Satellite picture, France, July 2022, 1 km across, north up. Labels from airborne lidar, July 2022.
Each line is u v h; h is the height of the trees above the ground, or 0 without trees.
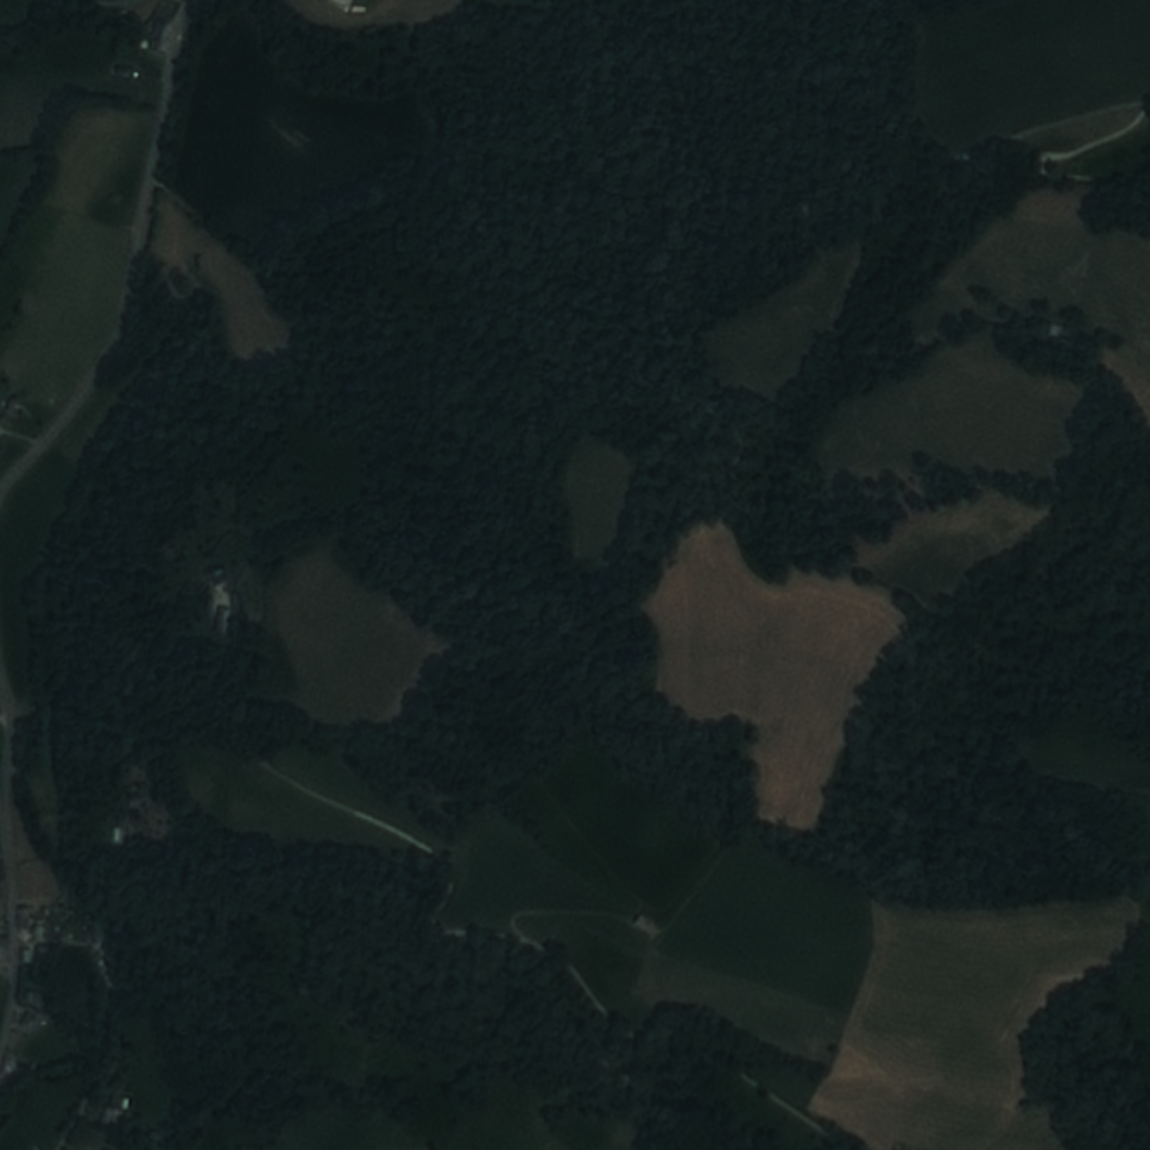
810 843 15
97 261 0
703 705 0
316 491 0
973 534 0
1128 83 0
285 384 21
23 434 0
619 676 27
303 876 23
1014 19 0
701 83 21
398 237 19
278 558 12
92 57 0
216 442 27
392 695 0
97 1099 15
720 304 9
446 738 17
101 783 13
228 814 0
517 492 19
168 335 12
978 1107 0
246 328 0
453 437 19
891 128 20
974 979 0
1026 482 12
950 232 13
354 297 7
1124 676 30
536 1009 22
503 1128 0
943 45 0
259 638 18
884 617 0
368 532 9
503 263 20
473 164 23
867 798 24
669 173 26
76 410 0
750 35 25
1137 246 0
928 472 12
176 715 18
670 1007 18
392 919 17
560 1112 23
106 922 7
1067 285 0
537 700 20
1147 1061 13
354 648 0
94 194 0
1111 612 15
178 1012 28
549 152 31
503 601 19
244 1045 11
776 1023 0
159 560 18
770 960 0
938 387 0
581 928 0
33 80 0
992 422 0
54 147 18
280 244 22
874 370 12
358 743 21
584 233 23
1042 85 0
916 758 22
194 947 23
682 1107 17
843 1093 0
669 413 11
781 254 12
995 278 0
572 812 0
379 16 0
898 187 19
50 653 12
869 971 0
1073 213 0
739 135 21
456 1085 12
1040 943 0
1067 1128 15
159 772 17
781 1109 0
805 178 17
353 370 14
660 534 20
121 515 17
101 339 0
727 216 25
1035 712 22
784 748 0
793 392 13
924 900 17
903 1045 0
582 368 24
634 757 17
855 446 0
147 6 0
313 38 16
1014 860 20
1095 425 15
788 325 0
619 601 21
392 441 19
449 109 20
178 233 0
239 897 20
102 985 15
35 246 0
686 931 0
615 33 9
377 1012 10
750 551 12
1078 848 24
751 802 20
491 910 0
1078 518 9
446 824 24
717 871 0
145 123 0
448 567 27
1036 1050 23
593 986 0
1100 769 0
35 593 22
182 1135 26
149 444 28
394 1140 0
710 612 0
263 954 16
